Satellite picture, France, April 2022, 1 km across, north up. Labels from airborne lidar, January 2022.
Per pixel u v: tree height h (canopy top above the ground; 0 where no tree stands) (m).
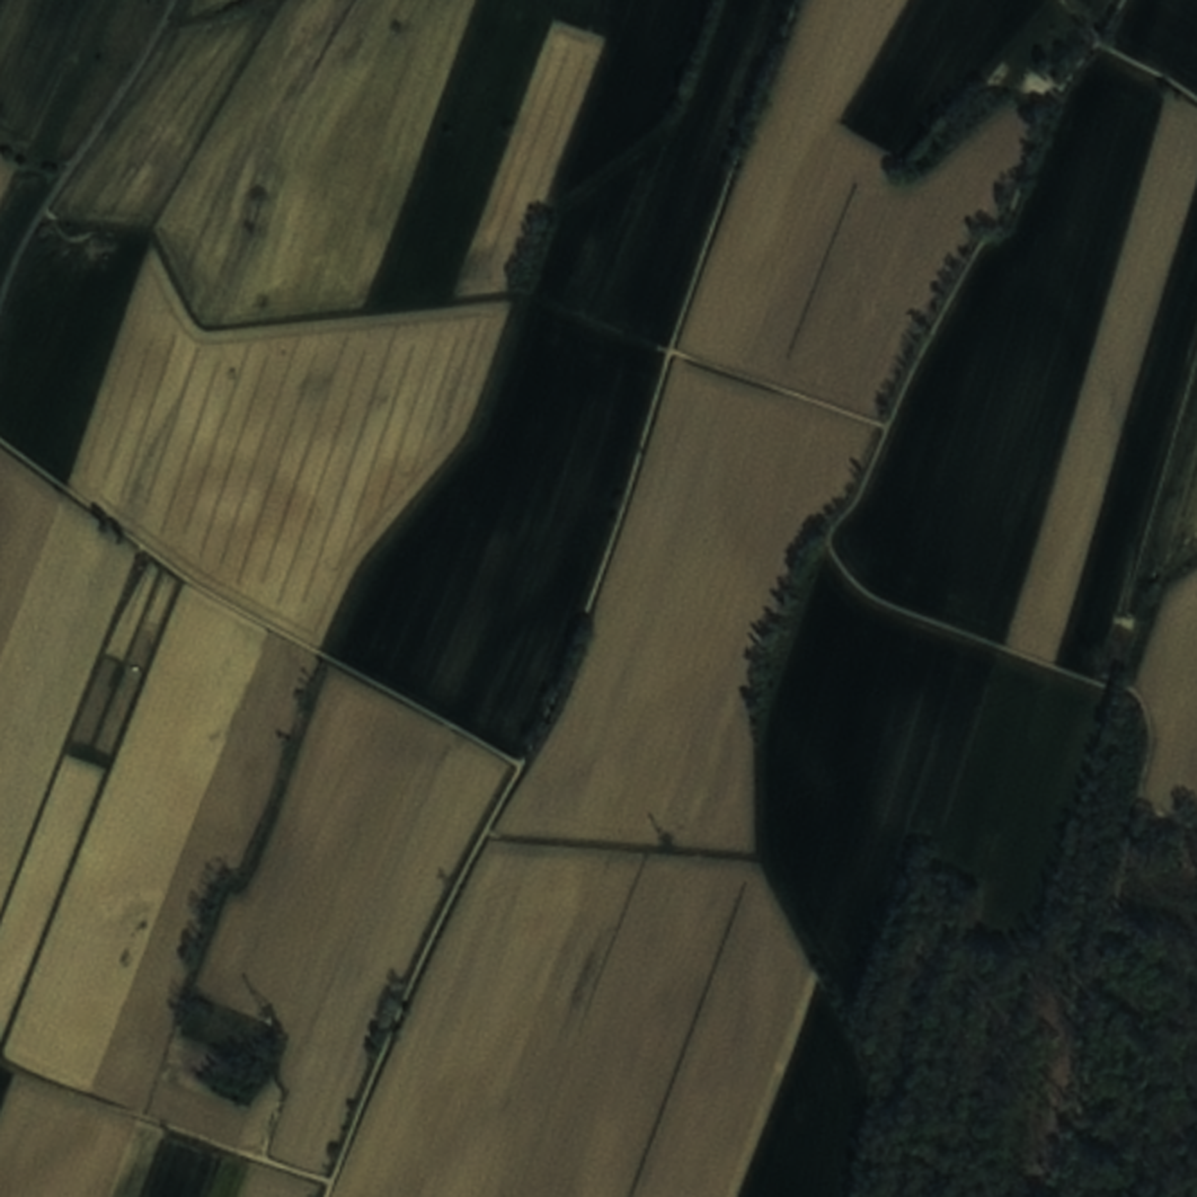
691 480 0
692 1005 0
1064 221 0
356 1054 0
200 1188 0
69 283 0
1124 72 0
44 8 0
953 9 0
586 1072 0
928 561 0
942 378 0
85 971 0
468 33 0
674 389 0
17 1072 0
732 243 0
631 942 0
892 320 0
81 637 0
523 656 0
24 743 0
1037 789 0
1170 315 0
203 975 0
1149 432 0
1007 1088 31
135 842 0
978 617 0
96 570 0
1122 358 0
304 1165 0
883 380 0
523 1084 0
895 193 0
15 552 0
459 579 0
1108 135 0
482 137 0
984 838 0
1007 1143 32
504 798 0
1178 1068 36
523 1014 0
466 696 0
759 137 17
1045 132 18
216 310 0
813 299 0
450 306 0
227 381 0
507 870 0
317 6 0
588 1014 0
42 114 0
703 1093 0
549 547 0
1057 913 23
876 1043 26
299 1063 0
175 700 0
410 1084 0
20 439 0
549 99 0
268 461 0
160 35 0
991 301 0
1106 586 0
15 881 0
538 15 0
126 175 0
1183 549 0
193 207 0
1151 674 0
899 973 30
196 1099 0
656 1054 0
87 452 0
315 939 0
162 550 0
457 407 0
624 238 0
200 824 0
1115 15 13
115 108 0
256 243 0
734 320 0
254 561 0
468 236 0
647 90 0
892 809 0
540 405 0
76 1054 0
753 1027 0
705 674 0
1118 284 0
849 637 0
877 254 0
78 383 0
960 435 0
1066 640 0
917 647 0
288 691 0
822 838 0
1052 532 0
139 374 0
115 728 0
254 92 0
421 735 0
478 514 0
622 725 0
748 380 0
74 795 0
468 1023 0
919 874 22
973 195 0
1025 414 0
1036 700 0
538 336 0
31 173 0
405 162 0
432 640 0
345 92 0
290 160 0
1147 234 0
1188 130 0
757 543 0
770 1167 0
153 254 0
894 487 0
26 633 0
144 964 0
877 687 0
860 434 0
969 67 0
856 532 0
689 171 0
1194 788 0
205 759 0
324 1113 0
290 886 0
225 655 0
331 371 0
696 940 0
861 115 0
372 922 0
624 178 0
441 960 0
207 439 0
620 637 0
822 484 0
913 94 0
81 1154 0
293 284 0
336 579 0
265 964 0
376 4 0
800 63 0
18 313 0
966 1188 31
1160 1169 32
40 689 0
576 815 0
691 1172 0
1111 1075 35
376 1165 0
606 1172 0
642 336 0
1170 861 34
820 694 0
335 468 0
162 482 0
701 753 0
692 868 0
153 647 0
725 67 0
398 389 0
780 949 0
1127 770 21
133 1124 0
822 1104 0
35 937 0
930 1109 32
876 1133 24
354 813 0
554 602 0
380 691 0
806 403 0
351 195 0
